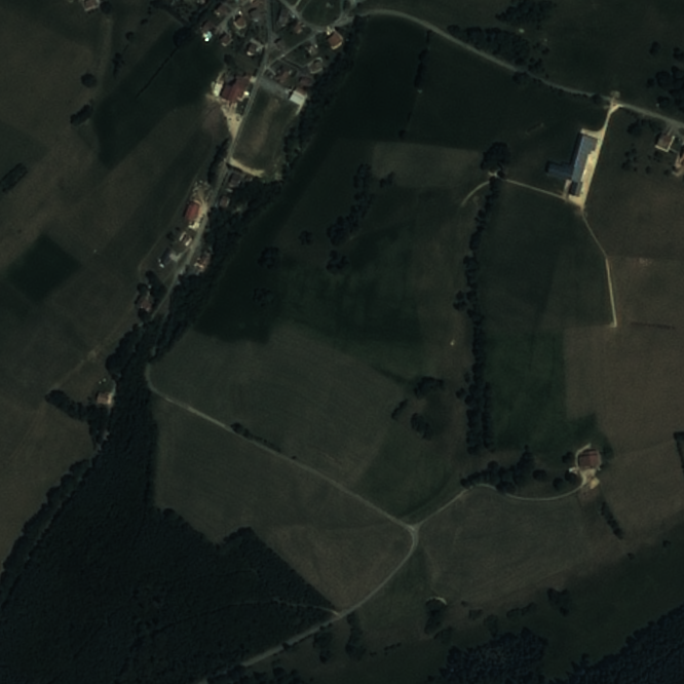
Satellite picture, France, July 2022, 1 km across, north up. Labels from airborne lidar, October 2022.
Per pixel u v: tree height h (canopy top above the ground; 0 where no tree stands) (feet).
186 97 0
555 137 0
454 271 0
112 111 0
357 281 0
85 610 47
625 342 0
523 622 0
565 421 0
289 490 0
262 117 0
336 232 58
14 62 0
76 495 46
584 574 0
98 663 49
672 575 0
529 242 0
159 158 0
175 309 49
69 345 0
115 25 0
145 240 0
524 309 0
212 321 0
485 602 0
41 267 0
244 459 0
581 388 0
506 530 0
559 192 0
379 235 0
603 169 0
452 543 0
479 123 0
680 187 0
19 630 48
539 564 0
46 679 49
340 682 0
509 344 0
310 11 0
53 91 0
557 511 0
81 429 0
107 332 0
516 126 0
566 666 0
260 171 0
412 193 0
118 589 33
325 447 0
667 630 60
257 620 40
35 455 0
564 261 0
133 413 61
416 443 0
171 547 34
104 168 0
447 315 0
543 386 0
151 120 0
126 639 55
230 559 22
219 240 70
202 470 0
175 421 0
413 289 0
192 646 39
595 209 0
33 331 0
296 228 0
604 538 0
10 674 63
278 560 41
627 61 0
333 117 0
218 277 29
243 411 0
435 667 0
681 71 60
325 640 53
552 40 0
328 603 35
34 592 43
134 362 63
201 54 0
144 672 82
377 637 0
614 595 0
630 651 49
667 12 0
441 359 0
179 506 0
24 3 0
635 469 0
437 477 0
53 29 0
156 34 0
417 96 0
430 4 0
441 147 0
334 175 0
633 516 0
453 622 0
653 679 72
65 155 0
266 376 0
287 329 0
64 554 48
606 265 0
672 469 0
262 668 0
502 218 0
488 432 63
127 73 0
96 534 37
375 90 0
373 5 0
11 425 0
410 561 0
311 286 0
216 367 0
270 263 69
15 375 0
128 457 60
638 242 0
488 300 0
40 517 47
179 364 0
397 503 0
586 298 0
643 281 0
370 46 0
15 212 0
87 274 0
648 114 0
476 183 0
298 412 0
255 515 0
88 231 0
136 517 41
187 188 0
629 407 0
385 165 0
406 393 0
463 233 0
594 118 0
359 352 0
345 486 0
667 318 0
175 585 38
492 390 56
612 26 0
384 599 0
